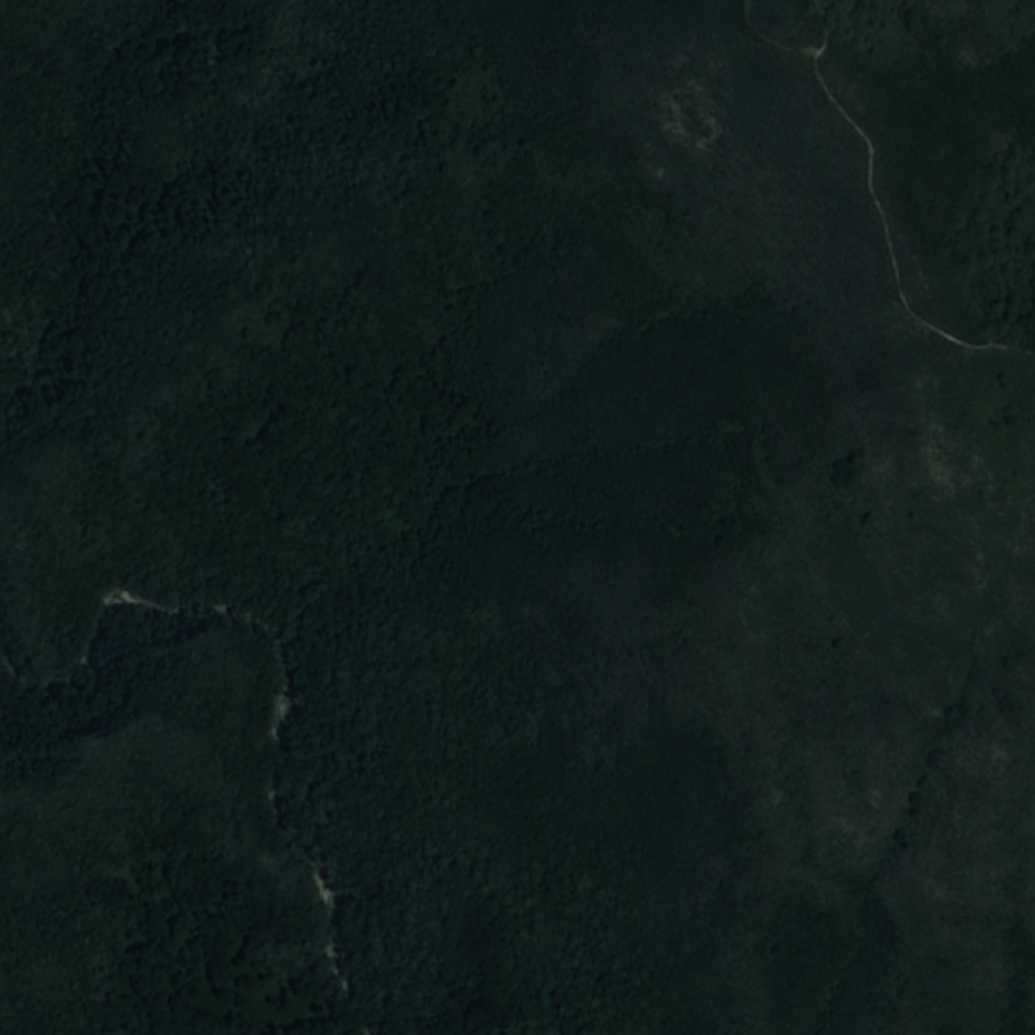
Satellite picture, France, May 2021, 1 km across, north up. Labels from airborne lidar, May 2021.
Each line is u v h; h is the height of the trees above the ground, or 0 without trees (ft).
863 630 0
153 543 37
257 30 59
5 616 60
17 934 44
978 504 0
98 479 49
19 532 26
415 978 60
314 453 50
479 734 19
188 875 78
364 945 56
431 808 32
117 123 57
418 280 22
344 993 63
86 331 64
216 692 30
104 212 74
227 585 71
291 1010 81
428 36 32
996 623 0
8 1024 33
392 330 20
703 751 19
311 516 56
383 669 48
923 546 0
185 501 65
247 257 25
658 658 21
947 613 0
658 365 19
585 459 38
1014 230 72
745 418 19
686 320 20
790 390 19
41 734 81
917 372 0
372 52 37
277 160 32
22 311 26
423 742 39
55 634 51
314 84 49
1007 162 28
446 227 24
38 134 57
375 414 67
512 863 24
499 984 72
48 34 24
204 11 53
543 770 19
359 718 49
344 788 51
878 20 51
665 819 20
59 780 37
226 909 67
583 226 22
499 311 21
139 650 40
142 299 50
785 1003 17
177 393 29
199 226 59
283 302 40
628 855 27
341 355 67
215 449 76
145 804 36
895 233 0
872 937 18
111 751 18
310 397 75
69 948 59
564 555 20
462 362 32
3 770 59
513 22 18
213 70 39
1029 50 23
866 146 0
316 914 35
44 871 23
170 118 23
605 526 22
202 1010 59
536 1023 60
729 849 18
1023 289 68
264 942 56
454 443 54
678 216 20
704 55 0
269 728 94
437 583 27
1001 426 31
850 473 36
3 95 38
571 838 28
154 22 87
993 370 0
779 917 21
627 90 0
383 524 47
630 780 20
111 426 24
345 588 88
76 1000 31
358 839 60
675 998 20
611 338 29
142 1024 73
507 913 62
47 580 43
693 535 19
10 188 23
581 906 35
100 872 33
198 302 26
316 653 71
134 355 27
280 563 58
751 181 0
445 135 57
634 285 20
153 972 69
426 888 23
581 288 19
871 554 0
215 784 23
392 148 30
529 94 20
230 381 26
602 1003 34
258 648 75
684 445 24
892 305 0
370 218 22
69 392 72
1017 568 0
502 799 22
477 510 46
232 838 38
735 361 19
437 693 44
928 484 0
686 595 18
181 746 18
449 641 25
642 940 21
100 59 56
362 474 43
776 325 18
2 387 77
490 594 21
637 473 18
